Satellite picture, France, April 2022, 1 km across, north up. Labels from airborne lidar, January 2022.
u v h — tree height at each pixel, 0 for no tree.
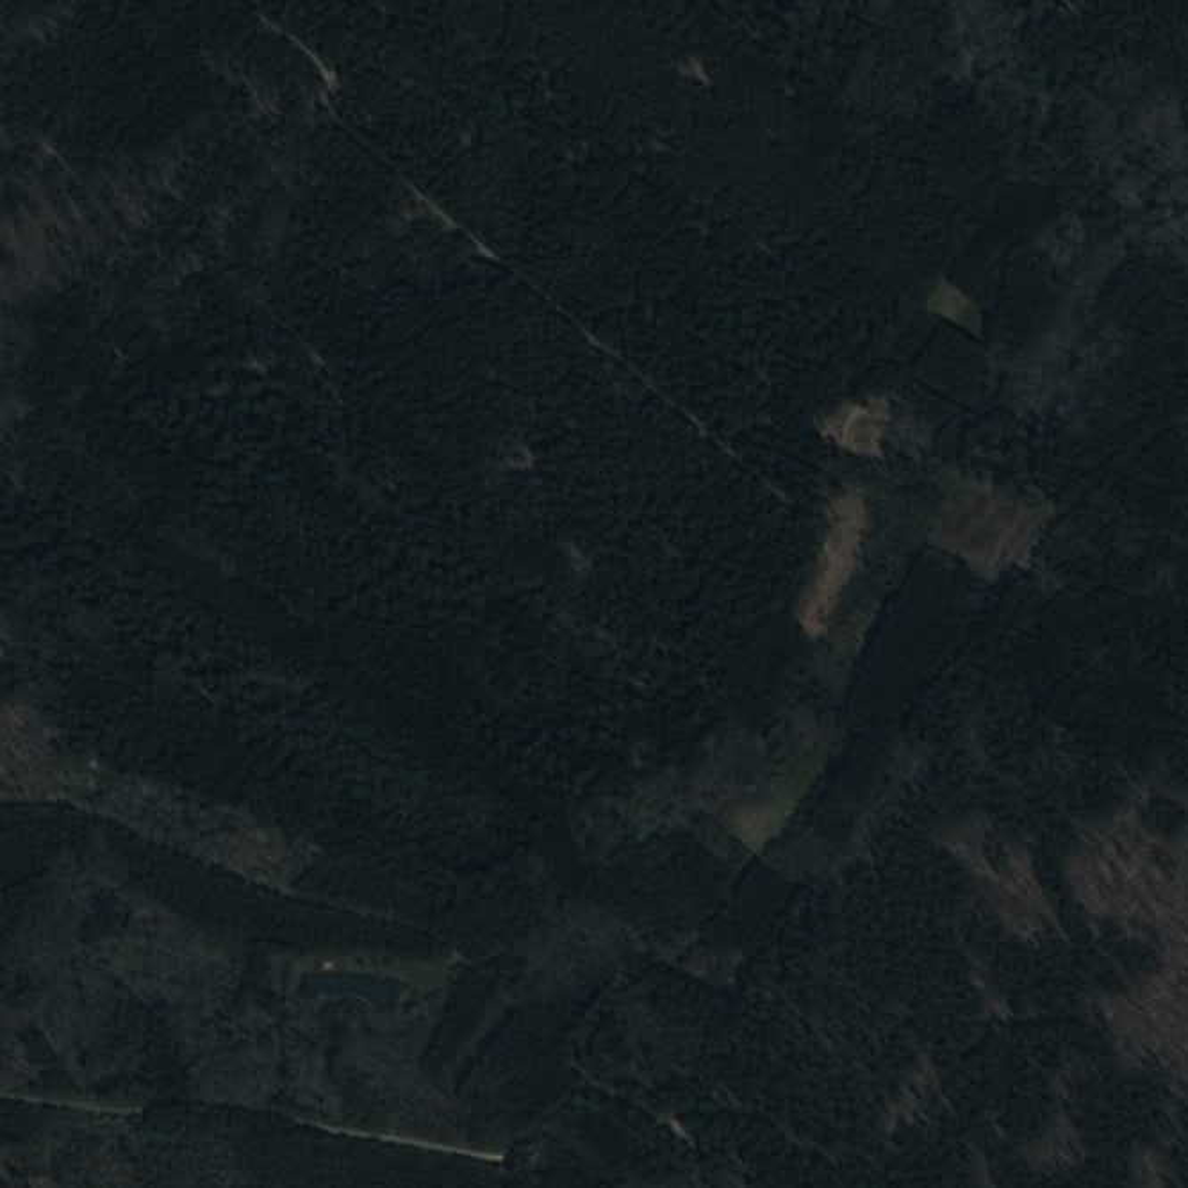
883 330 27
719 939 23
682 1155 31
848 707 19
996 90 27
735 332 21
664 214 28
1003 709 35
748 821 0
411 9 26
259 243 17
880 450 32
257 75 23
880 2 25
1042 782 32
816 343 28
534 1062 23
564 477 27
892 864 31
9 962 23
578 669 16
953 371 28
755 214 25
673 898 22
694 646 29
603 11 24
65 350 23
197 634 9
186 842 26
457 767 30
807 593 31
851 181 24
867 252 28
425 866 24
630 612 24
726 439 27
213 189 21
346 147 28
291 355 29
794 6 7
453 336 30
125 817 23
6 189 25
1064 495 30
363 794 32
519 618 16
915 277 27
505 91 26
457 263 20
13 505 32
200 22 27
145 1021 38
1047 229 18
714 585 29
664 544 30
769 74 23
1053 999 35
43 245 21
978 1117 19
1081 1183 22
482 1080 21
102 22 22
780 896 23
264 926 21
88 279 15
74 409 24
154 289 25
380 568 32
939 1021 29
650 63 25
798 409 28
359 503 19
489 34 23
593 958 21
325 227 30
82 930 21
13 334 17
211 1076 19
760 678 29
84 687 30
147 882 24
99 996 28
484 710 18
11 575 28
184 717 29
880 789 18
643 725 21
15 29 19
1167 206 18
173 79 18
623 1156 16
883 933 33
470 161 24
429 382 32
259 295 25
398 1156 11
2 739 27
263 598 21
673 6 23
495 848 7
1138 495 21
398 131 24
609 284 26
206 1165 12
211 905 21
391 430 33
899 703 23
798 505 31
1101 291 23
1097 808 30
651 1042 23
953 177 26
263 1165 8
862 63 14
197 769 27
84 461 26
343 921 17
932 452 23
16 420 16
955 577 18
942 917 32
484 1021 14
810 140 23
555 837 22
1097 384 29
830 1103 27
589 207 24
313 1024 21
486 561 29
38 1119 8
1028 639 16
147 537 30
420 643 16
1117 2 28
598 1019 33
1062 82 27
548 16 24
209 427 18
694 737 16
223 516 33
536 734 18
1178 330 16
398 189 30
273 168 17
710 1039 21
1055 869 29
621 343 28
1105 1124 29
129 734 29
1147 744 23
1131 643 17
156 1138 11
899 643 25
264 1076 24
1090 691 19
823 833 16
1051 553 15
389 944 19
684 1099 32
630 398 30
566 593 24
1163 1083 30
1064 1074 31
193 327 22
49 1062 28
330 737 26
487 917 18
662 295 28
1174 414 20
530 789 30
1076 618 21
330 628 28
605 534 27
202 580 29
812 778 0
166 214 19
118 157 21
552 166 26
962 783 35
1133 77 26
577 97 26
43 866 25
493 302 31
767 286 26
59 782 23
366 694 25
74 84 25
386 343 32
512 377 29
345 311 31
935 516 15
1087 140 28
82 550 33
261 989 26
